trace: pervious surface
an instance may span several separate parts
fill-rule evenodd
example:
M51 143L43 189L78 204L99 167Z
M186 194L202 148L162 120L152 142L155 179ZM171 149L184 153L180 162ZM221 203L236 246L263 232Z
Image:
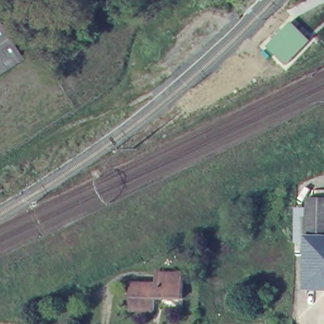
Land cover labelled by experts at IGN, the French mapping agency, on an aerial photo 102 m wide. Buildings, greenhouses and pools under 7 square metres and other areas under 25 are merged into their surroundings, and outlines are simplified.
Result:
M42 178L37 184L30 182L19 194L0 201L0 258L4 254L13 253L20 247L27 246L34 240L46 237L54 230L76 223L84 216L113 204L121 197L128 196L146 185L171 178L215 153L238 146L247 138L267 132L314 108L315 105L324 103L324 65L297 78L289 85L254 99L252 103L224 115L214 123L172 140L157 151L128 165L101 173L94 180L78 185L57 199L39 206L37 200L40 196L56 189L67 178L76 175L82 167L90 165L104 153L114 153L119 143L130 134L138 130L151 132L156 128L165 129L173 121L187 118L192 111L208 108L220 97L256 82L257 76L270 80L272 76L281 75L285 70L276 65L272 57L266 47L280 29L289 16L289 9L297 5L295 0L239 0L229 13L227 10L218 10L216 13L205 11L196 16L194 22L187 24L177 34L175 46L166 54L162 54L162 61L158 62L162 72L167 76L165 84L130 101L130 106L137 110L120 121L116 127L109 128L103 137L97 138L87 147L81 146L78 157L63 163L59 170Z
M135 276L134 273L111 277L104 286L101 324L109 324L113 296L109 294L108 287L111 283L121 282L125 289L128 289L130 282L151 282L151 277Z

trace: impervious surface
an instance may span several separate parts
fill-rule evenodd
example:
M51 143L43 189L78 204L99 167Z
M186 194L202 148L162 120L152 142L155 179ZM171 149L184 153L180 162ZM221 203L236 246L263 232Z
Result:
M300 15L324 4L324 0L295 0L297 5L289 9L289 16L280 29L292 22L306 39L310 39L310 42L302 49L299 57L290 59L289 62L282 62L276 56L272 57L276 65L285 70L289 70L302 54L318 43L319 32L324 28L324 22L313 29L300 18Z
M302 289L300 246L294 244L294 247L296 294L292 297L295 300L292 316L296 320L292 321L292 324L324 324L324 290L308 292Z
M301 204L306 194L316 194L318 199L324 199L324 173L302 182L297 204Z

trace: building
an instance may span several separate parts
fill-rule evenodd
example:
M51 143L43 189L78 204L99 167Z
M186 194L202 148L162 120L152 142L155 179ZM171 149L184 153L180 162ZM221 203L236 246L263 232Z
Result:
M299 57L302 49L310 42L310 39L306 39L292 22L280 29L266 47L272 57L276 56L282 62L289 62L290 59Z
M23 61L23 54L16 51L15 44L9 43L8 38L0 30L0 75L9 67Z
M301 204L297 204L296 208L292 209L294 244L300 246L302 289L308 292L324 290L324 199L318 199L316 194L306 194Z
M130 282L128 289L125 289L127 309L134 313L158 309L161 302L170 306L176 305L182 301L181 283L180 272L156 271L151 277L151 282Z

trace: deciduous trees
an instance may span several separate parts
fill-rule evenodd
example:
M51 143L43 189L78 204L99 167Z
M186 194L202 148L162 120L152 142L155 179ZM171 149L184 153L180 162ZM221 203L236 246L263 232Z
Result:
M70 297L68 302L63 302L52 300L52 296L42 299L42 296L35 296L28 301L22 311L27 324L78 324L80 316L86 313L84 301Z
M252 234L251 194L246 199L240 199L240 194L235 194L228 213L220 209L220 219L228 221L229 234L232 237L244 233Z
M286 195L285 186L282 189L276 187L276 191L261 191L266 200L266 218L261 230L282 230L287 242L290 242L287 249L294 247L294 244L292 209L282 209L283 196Z
M227 10L229 13L239 0L191 0L186 6L199 6L196 16L205 11L216 13L218 10Z
M8 38L9 43L15 44L16 51L23 54L23 61L33 71L38 72L40 86L62 85L63 72L73 68L72 59L84 49L87 42L95 40L99 34L96 19L99 18L101 10L106 11L109 22L118 28L125 25L139 27L144 24L144 19L140 18L142 10L159 0L0 0L0 30Z
M180 311L176 305L170 306L161 302L158 309L134 313L127 309L125 289L121 282L111 283L108 287L109 294L113 296L109 324L173 324L180 320Z
M189 243L184 244L182 233L176 234L175 244L167 249L168 254L182 253L184 261L192 263L190 270L184 268L180 272L181 283L186 282L191 286L196 280L202 282L209 277L199 265L201 251L196 239L192 237Z
M230 286L224 287L225 308L233 313L234 318L240 323L257 321L265 324L291 324L287 321L289 315L280 313L275 308L277 301L273 296L277 291L276 287L265 283L259 287L248 278L244 282L239 282L235 290Z

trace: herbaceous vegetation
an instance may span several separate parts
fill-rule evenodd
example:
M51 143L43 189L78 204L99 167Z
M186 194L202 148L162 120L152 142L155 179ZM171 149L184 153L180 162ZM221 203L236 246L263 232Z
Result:
M42 296L42 299L52 296L52 300L63 302L68 302L70 297L84 301L86 313L80 316L78 324L101 324L104 286L111 277L134 273L135 276L151 277L156 271L180 272L184 268L190 270L192 263L184 261L182 253L168 254L167 249L175 244L176 234L182 233L184 244L189 243L192 237L196 239L201 251L199 265L209 277L202 282L196 280L191 286L186 282L181 283L182 301L176 305L180 311L180 320L173 324L265 324L257 321L240 323L234 318L233 313L225 308L224 287L230 286L235 290L239 282L244 282L248 278L259 287L265 283L276 287L277 291L273 296L277 301L275 308L280 313L289 315L287 321L291 324L292 324L292 321L296 320L292 316L295 300L292 297L296 294L294 247L287 249L290 242L287 242L282 230L261 230L266 218L266 200L261 191L276 191L276 187L282 189L285 186L286 195L283 196L282 209L292 209L296 208L297 204L302 182L324 173L324 103L315 105L314 108L267 132L247 138L238 146L215 153L171 178L146 185L128 196L121 197L113 204L84 216L76 223L54 230L46 237L34 240L27 246L20 247L13 253L4 254L0 258L0 324L27 324L22 311L28 301L35 296ZM240 194L240 199L246 199L251 194L252 234L244 233L232 237L229 234L228 221L220 219L220 209L228 213L235 194Z
M300 15L300 18L313 29L324 22L324 4Z
M109 22L106 11L101 10L99 18L96 19L99 34L95 40L87 42L84 49L72 59L73 68L63 72L62 85L40 86L38 72L33 71L23 61L9 67L0 75L0 201L19 194L30 182L37 184L42 178L59 170L63 163L78 157L81 146L87 147L97 138L103 137L109 128L116 127L120 121L137 110L130 106L130 101L165 84L167 76L162 72L158 62L162 61L162 54L166 54L175 46L177 34L187 24L194 22L196 16L199 6L186 6L191 0L159 0L142 10L140 18L144 19L144 24L139 27L125 25L118 28Z
M319 32L318 43L302 54L289 70L285 70L281 75L272 76L270 80L257 76L256 82L220 97L208 108L192 111L187 118L173 121L165 129L156 128L151 132L138 130L130 134L119 143L114 153L104 153L90 165L82 167L76 175L67 178L56 189L40 196L37 200L39 206L57 199L78 185L94 180L101 173L128 165L157 151L172 140L214 123L224 115L252 103L254 99L289 85L297 78L324 65L324 28Z

